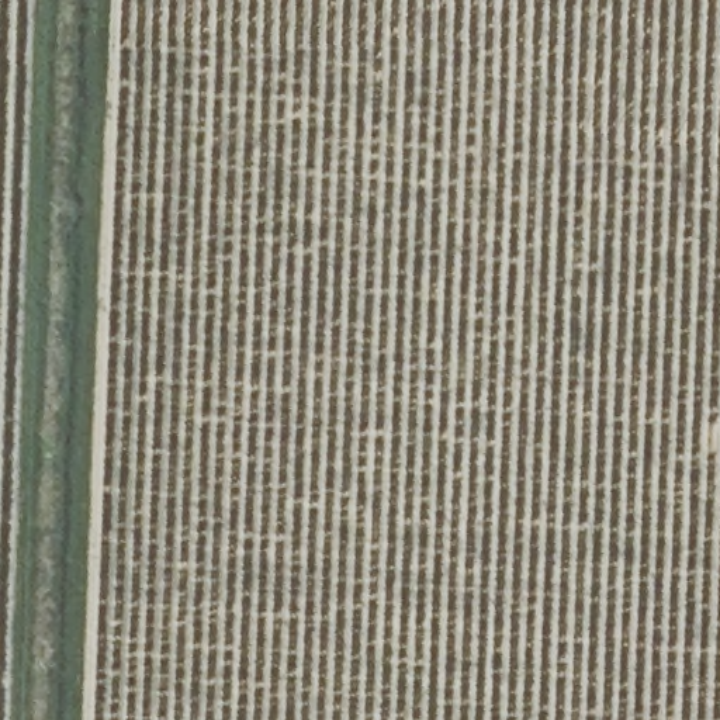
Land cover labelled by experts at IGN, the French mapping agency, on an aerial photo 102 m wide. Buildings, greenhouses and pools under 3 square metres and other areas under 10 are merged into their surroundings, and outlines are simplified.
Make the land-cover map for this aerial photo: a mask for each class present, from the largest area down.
<instances>
[{"label":"vineyard","instance_id":"1","mask_svg":"<svg viewBox=\"0 0 720 720\"><path fill-rule=\"evenodd\" d=\"M110 0H0V720H82ZM96 720H720V0H121V93L115 141Z\"/></svg>","mask_w":720,"mask_h":720},{"label":"herbaceous vegetation","instance_id":"2","mask_svg":"<svg viewBox=\"0 0 720 720\"><path fill-rule=\"evenodd\" d=\"M121 93V0H110L82 720H96L115 141Z\"/></svg>","mask_w":720,"mask_h":720}]
</instances>
